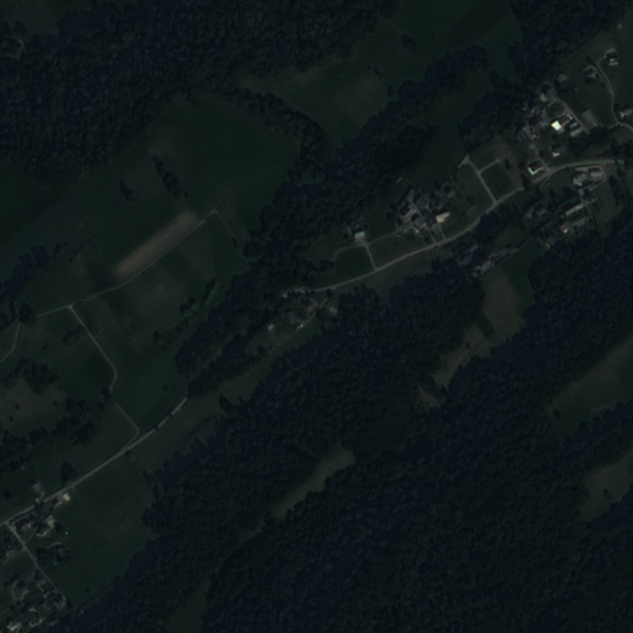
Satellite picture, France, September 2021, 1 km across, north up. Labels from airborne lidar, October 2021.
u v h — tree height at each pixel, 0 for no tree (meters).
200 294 0
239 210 0
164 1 17
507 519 24
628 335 17
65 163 29
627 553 23
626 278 24
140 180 0
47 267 19
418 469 31
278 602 31
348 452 19
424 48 0
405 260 0
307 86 0
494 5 0
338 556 30
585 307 23
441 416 9
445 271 18
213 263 0
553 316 32
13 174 0
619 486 0
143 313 0
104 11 0
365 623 26
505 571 14
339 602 20
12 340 0
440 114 0
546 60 22
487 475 20
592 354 23
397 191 0
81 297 0
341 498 22
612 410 0
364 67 0
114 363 0
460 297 25
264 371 0
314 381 26
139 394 0
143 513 0
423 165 0
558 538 21
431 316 21
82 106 16
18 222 0
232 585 16
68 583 0
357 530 35
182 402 0
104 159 23
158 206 0
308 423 18
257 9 35
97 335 0
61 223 0
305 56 25
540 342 30
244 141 0
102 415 0
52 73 36
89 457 0
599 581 23
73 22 0
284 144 0
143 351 0
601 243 21
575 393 0
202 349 22
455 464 22
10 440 14
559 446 19
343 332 7
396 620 8
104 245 0
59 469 0
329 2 26
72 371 0
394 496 27
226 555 22
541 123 0
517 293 0
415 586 29
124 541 0
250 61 24
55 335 0
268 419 20
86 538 0
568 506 21
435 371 18
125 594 21
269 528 19
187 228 0
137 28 27
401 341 27
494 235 18
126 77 28
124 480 0
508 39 0
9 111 25
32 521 7
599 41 0
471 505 21
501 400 28
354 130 0
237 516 18
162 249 0
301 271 27
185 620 0
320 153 12
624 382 0
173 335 0
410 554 24
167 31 33
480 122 15
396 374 16
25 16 0
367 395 20
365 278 0
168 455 0
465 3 0
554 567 25
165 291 0
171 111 0
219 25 26
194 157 0
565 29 10
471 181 0
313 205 27
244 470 21
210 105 0
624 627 21
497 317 0
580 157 9
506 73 0
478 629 23
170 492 26
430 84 10
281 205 22
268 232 17
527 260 0
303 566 32
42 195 0
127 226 0
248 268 0
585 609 21
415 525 15
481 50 0
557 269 25
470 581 26
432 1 0
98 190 0
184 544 28
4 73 8
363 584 22
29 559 0
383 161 17
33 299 0
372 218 0
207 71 27
